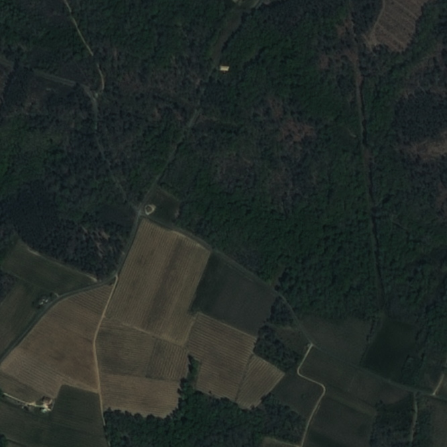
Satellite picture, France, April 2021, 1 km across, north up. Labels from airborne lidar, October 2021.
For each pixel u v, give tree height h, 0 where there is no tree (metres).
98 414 0
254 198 17
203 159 9
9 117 18
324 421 0
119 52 15
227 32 0
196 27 26
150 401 0
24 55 17
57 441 0
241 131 14
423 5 0
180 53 18
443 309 16
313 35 19
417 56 19
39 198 19
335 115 22
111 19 20
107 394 0
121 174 11
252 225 27
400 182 17
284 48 15
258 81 18
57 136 18
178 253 0
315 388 0
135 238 0
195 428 26
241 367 0
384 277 18
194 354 0
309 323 0
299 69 19
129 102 8
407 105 22
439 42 15
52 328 0
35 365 0
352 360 0
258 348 7
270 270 22
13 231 9
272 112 16
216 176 16
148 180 20
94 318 0
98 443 0
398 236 19
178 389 0
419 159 0
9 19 16
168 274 0
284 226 30
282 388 0
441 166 6
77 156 15
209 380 0
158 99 14
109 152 10
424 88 7
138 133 16
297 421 11
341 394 0
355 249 18
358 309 18
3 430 0
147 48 21
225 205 21
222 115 14
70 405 0
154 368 0
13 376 0
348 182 23
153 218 0
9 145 17
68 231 14
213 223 21
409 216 24
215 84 19
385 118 21
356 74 17
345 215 18
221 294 0
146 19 19
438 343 14
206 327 0
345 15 15
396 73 26
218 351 0
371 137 23
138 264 0
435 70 10
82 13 12
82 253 11
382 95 24
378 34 0
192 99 11
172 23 26
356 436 0
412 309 20
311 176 24
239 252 12
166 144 19
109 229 15
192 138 10
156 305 0
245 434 18
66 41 9
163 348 0
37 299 0
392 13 0
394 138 18
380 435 15
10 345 0
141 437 16
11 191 20
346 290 20
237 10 0
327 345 0
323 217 25
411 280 8
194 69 18
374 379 0
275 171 18
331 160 17
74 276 0
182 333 0
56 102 11
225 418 24
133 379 0
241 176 6
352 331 0
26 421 0
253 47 19
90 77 8
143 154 17
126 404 0
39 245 15
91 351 0
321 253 23
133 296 0
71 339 0
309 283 16
